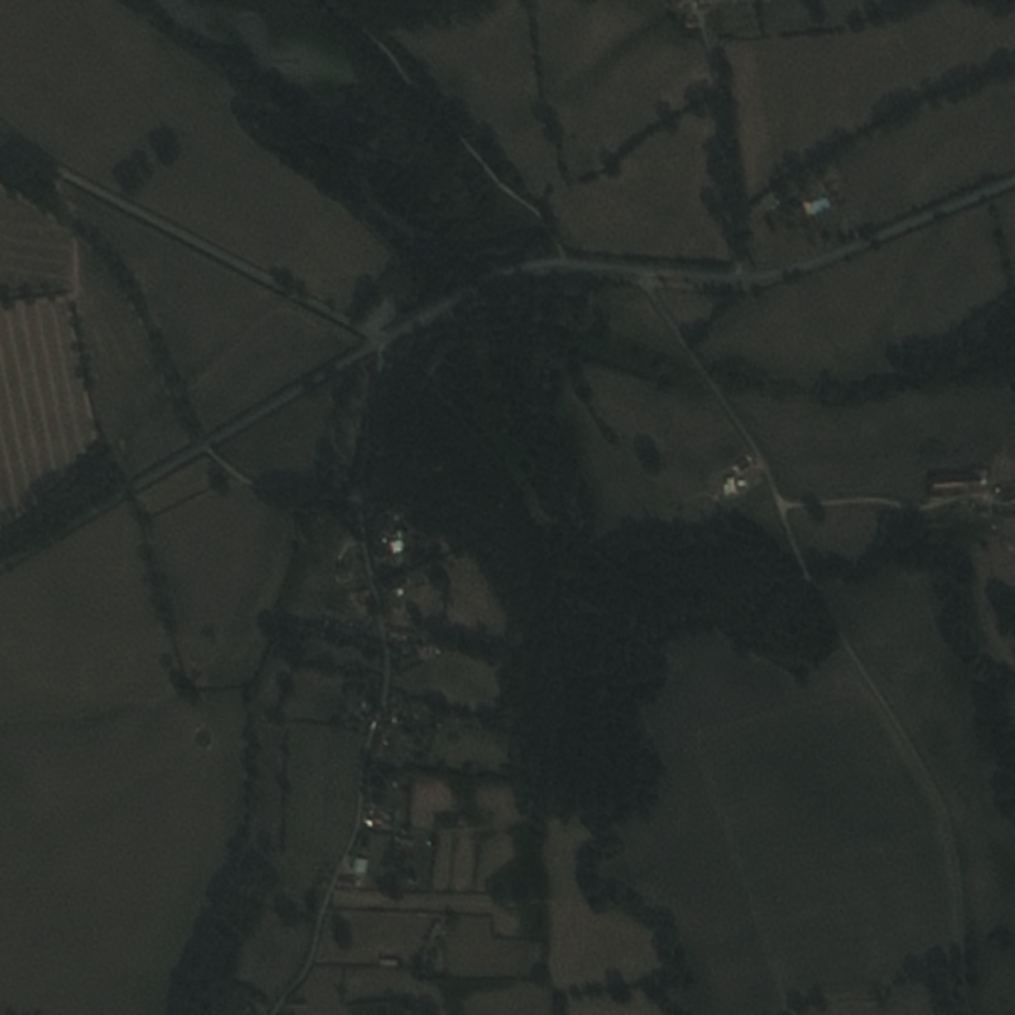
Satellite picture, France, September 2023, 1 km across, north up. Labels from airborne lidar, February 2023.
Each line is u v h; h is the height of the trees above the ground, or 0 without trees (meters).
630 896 12
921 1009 0
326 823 0
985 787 0
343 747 0
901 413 0
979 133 0
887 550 17
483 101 0
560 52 0
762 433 0
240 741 0
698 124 0
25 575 0
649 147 0
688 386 0
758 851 0
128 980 0
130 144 0
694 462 0
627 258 7
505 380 12
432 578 18
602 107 0
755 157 0
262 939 0
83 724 0
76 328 14
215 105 0
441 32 0
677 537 18
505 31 0
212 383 0
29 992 0
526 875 0
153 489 0
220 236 0
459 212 0
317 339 0
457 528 26
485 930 0
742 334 0
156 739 0
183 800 0
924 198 0
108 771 0
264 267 0
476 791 0
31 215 0
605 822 9
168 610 16
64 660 0
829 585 0
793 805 0
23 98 0
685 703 0
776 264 0
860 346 0
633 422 0
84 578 0
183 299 0
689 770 0
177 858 0
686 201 0
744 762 0
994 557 0
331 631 18
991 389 0
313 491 10
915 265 0
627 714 24
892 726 0
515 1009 0
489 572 23
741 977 0
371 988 0
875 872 0
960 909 0
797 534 0
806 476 0
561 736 6
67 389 0
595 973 0
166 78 0
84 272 0
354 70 0
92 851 0
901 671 0
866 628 0
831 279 0
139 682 0
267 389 0
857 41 0
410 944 0
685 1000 0
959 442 0
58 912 0
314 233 0
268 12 0
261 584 0
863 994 0
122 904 0
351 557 0
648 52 0
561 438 17
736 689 0
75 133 0
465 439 21
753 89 0
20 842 0
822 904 0
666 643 8
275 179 0
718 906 0
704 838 0
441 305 0
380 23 20
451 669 0
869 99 0
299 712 0
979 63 0
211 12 0
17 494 0
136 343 0
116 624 0
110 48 0
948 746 0
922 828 0
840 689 0
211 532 0
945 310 0
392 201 19
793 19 0
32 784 0
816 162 15
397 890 13
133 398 0
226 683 0
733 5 0
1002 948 10
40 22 0
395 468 12
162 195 0
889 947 0
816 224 0
